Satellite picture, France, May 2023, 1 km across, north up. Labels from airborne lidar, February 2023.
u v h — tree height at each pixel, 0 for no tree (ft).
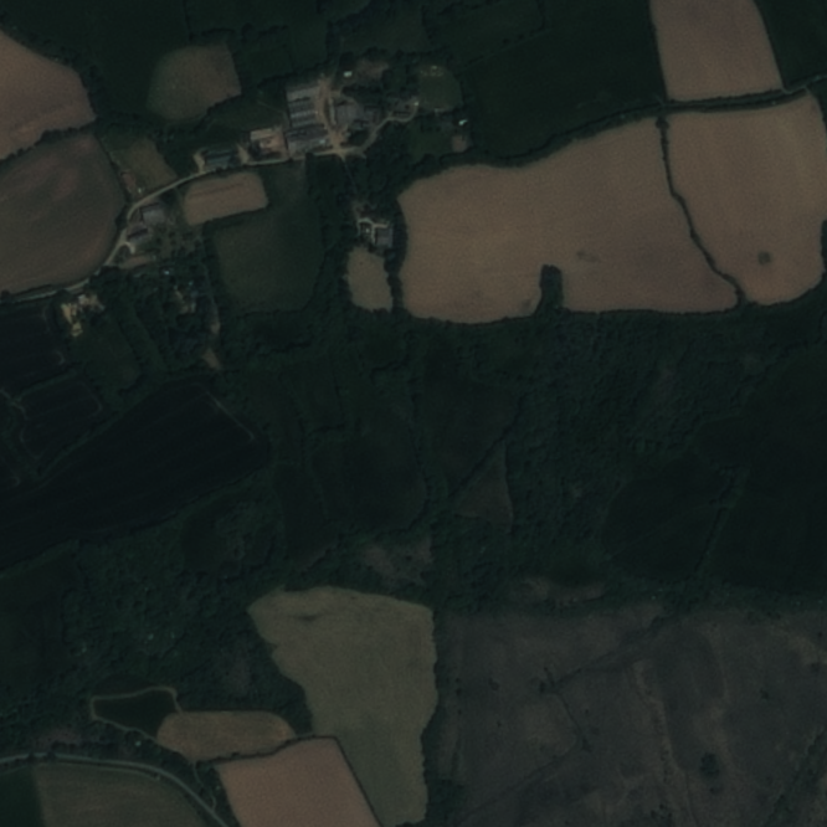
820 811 0
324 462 0
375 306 0
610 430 26
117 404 47
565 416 48
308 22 0
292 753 0
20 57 0
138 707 0
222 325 43
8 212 0
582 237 0
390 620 0
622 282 0
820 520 0
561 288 22
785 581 0
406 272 0
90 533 0
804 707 0
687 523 0
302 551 0
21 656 0
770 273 0
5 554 0
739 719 0
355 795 0
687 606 23
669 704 0
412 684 0
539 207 0
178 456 0
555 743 0
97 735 21
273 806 0
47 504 0
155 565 23
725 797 0
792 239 0
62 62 20
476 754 0
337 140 0
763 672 0
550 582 0
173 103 0
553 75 0
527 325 31
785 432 0
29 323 0
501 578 47
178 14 0
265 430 40
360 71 0
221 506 0
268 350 28
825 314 22
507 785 0
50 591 0
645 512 0
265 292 0
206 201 0
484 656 0
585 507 40
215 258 30
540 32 18
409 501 0
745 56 0
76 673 33
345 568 29
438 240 0
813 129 0
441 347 0
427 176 37
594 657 0
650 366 25
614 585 25
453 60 47
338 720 0
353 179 50
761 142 0
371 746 0
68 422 0
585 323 34
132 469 0
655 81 0
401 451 0
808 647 0
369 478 0
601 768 0
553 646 0
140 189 0
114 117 35
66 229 0
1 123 0
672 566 0
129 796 0
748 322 37
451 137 0
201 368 35
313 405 0
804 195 0
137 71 0
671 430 22
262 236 0
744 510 0
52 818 0
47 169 0
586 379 31
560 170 0
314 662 0
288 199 0
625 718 0
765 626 0
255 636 32
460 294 0
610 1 0
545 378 29
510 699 0
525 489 31
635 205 0
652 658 0
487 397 0
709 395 28
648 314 33
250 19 0
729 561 0
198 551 0
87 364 34
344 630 0
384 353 0
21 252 0
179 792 0
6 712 27
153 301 28
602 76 0
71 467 0
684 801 0
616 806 0
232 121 0
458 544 31
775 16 0
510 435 44
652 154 0
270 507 26
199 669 22
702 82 0
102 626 45
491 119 0
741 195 0
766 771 0
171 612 19
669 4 0
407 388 25
